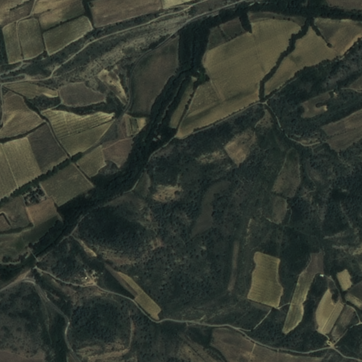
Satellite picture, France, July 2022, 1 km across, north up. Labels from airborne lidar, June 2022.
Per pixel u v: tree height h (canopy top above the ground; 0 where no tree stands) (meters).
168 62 0
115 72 0
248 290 0
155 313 0
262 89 11
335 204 8
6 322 0
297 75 9
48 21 0
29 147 0
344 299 6
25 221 0
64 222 12
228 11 13
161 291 10
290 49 13
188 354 0
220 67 0
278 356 0
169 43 0
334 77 0
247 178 10
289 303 0
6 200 14
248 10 8
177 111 0
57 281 13
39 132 0
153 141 6
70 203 13
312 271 0
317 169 15
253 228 0
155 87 0
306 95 6
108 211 8
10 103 0
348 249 0
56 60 8
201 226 0
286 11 21
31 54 0
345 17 12
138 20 7
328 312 0
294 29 0
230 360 0
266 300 0
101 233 7
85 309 9
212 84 0
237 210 0
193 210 11
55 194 0
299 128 7
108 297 0
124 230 6
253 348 0
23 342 0
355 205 6
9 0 0
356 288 0
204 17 8
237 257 0
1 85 0
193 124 0
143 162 9
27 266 0
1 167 0
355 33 0
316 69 7
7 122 0
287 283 0
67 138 0
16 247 0
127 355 0
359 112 0
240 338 0
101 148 0
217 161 0
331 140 0
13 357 0
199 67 7
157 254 11
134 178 13
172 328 8
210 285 7
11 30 0
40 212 0
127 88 11
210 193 0
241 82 0
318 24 0
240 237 0
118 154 0
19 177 0
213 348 7
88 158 0
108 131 0
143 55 0
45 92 0
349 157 7
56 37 0
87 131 0
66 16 0
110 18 0
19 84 0
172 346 0
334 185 7
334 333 0
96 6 0
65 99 0
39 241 7
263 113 7
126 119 0
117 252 8
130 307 7
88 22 0
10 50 0
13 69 0
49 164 0
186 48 13
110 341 8
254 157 10
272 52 0
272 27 0
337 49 0
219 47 0
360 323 0
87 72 0
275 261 0
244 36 0
